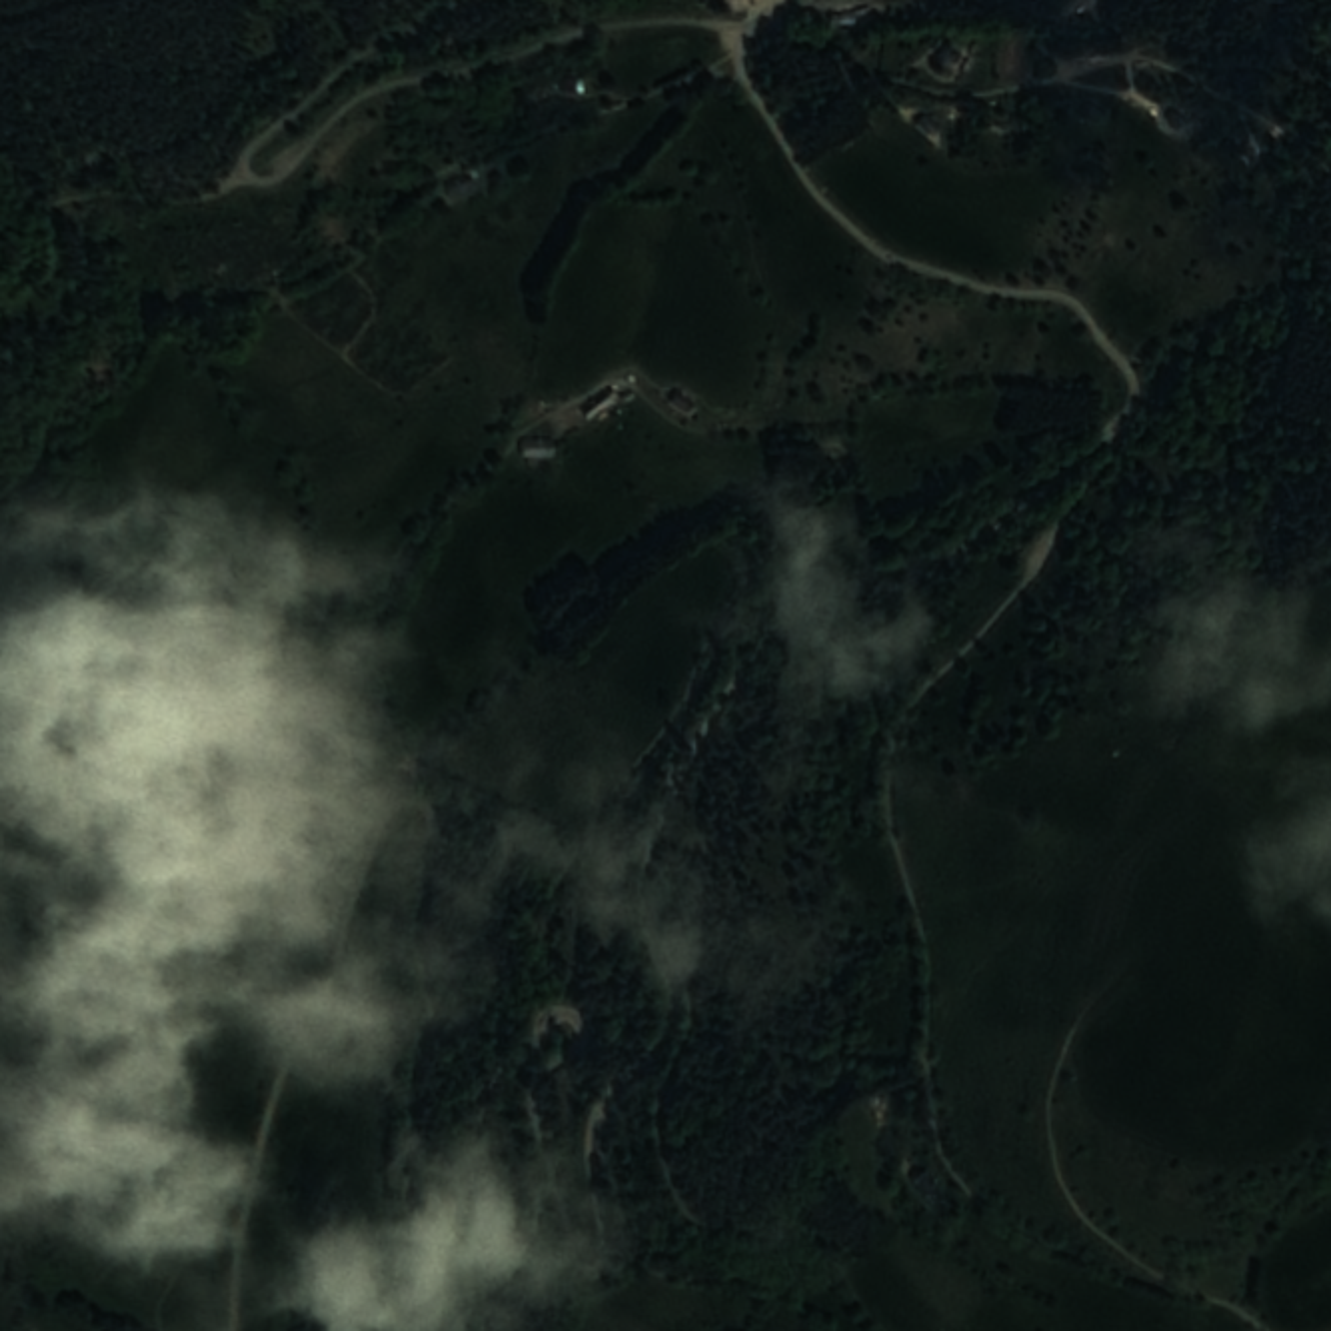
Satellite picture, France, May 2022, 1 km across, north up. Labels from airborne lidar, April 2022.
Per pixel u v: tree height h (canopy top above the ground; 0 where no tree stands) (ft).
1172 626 48
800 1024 53
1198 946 0
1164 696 40
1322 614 0
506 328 0
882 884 0
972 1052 0
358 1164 0
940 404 0
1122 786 0
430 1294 29
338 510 0
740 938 64
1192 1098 0
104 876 35
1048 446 63
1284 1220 22
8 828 42
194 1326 0
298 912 0
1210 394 72
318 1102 0
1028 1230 20
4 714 89
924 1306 0
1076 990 0
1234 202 38
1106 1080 0
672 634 0
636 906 34
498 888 65
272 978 0
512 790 0
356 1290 0
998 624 0
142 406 0
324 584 0
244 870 0
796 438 52
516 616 0
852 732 47
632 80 0
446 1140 40
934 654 0
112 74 84
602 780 0
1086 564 50
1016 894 0
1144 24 68
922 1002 43
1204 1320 0
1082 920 0
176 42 86
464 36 81
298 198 0
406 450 0
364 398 0
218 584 100
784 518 72
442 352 0
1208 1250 47
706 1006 59
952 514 63
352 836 0
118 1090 50
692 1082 36
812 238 0
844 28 28
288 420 0
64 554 90
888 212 0
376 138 0
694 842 0
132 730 41
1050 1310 31
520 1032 55
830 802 32
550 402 0
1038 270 39
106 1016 43
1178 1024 0
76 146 80
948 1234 64
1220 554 56
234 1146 0
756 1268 80
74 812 74
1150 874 0
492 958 64
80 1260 0
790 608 43
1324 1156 39
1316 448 93
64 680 53
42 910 60
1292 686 0
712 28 0
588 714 0
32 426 72
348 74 25
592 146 0
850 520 0
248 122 51
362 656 73
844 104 92
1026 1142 0
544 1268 58
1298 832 0
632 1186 19
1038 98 73
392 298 0
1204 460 39
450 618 0
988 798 0
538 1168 54
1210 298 0
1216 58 56
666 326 0
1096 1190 0
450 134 21
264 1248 0
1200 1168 0
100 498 61
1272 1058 0
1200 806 0
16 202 74
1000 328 0
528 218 0
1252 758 0
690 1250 60
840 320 0
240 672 40
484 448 0
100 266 70
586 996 66
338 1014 0
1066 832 0
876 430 0
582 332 0
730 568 0
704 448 0
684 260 0
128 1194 0
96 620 25
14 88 78
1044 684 41
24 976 53
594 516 0
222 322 82
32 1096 67
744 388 0
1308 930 0
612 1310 0
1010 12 81
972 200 0
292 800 0
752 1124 50
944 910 0
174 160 81
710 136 0
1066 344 0
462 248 0
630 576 78
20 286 75
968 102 59
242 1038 0
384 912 0
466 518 0
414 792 66
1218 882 0
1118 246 0
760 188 0
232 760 53
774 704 59
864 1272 0
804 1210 66
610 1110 36
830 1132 74
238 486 0
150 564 89
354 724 0
